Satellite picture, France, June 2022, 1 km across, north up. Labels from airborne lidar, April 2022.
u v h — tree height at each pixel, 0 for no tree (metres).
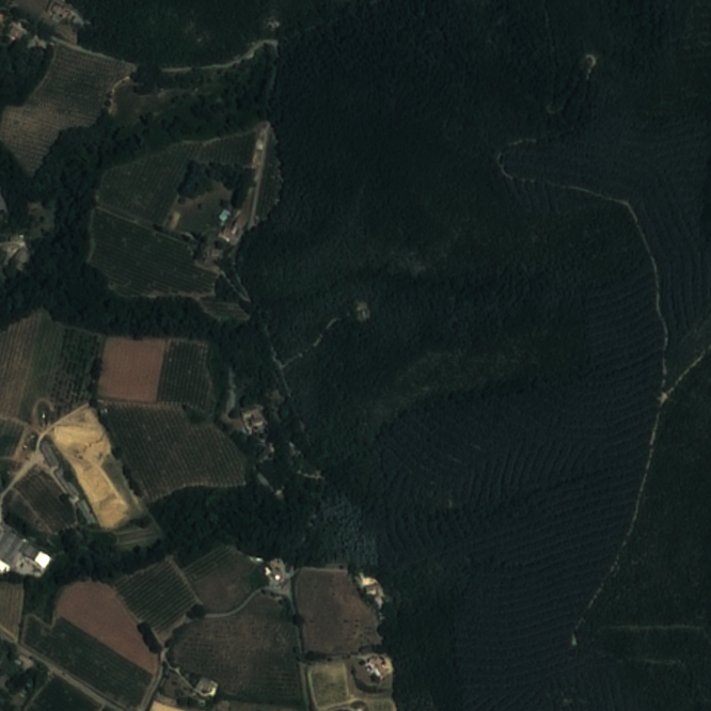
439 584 7
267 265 7
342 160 8
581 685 11
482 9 9
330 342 9
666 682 9
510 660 12
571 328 7
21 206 21
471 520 16
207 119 12
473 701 11
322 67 9
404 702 9
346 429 10
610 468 9
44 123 0
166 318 22
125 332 19
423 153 7
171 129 15
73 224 18
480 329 6
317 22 11
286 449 10
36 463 0
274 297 11
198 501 9
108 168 9
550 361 7
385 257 8
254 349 8
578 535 12
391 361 9
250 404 14
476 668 10
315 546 17
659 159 12
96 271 21
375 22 12
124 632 0
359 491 12
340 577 0
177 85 16
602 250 8
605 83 6
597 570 10
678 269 7
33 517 0
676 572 6
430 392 9
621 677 12
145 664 0
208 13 7
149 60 13
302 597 0
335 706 0
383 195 7
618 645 8
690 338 6
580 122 10
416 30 12
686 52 8
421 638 10
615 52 7
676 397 7
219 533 14
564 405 14
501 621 13
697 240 14
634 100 5
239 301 7
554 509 15
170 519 19
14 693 8
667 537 6
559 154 14
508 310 7
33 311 7
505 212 6
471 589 13
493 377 9
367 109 9
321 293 8
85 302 15
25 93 8
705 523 6
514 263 11
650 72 7
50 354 0
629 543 6
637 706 13
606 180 13
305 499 18
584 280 8
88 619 0
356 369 6
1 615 0
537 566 17
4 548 0
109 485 0
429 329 8
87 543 7
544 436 12
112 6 12
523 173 14
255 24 10
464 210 6
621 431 10
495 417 14
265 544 16
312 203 7
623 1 14
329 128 8
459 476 12
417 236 9
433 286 18
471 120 6
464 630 12
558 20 6
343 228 7
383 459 9
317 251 8
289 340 7
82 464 0
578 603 9
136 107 0
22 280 13
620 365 18
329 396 7
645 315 13
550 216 8
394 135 9
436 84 10
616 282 12
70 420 0
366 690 6
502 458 12
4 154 14
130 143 16
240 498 17
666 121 8
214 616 0
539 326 6
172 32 7
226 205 9
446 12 7
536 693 9
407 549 14
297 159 9
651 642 8
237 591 0
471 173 9
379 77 10
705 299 10
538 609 12
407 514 8
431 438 14
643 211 10
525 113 9
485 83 9
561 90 6
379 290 6
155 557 20
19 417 0
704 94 9
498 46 11
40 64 8
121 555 28
